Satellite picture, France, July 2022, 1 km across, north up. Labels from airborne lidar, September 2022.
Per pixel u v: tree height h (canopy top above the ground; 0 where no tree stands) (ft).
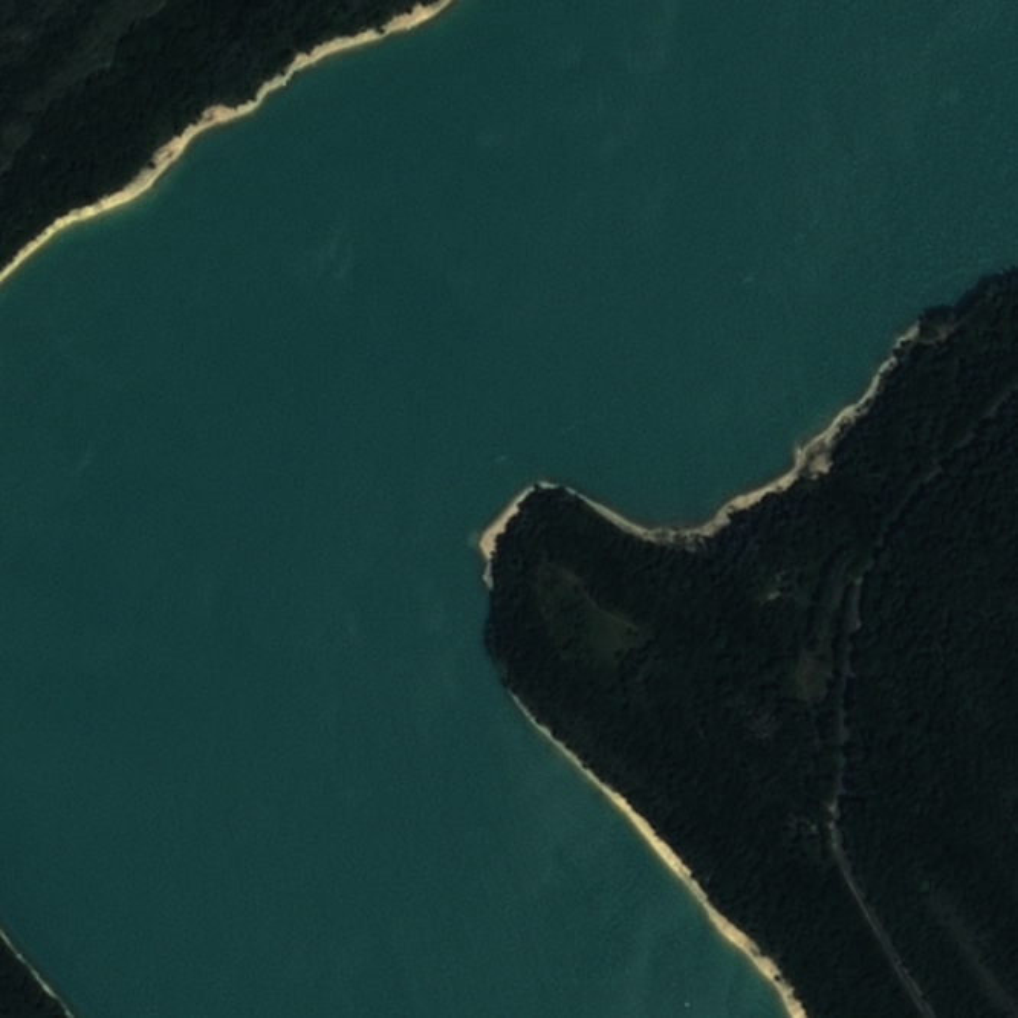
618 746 38
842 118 0
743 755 59
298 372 0
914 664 51
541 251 0
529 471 0
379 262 0
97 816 0
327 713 0
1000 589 52
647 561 64
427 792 0
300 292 0
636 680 50
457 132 0
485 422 0
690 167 0
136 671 0
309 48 34
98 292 0
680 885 0
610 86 0
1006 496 54
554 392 0
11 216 67
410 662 0
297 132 0
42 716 0
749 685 36
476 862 0
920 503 66
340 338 0
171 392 0
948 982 48
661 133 0
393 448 0
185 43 46
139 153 43
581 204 0
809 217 0
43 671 0
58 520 0
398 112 0
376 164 0
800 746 69
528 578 56
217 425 0
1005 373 35
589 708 38
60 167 73
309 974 0
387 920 0
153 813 0
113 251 0
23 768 0
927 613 51
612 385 0
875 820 73
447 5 0
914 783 59
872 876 41
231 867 0
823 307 0
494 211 0
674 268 0
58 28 35
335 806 0
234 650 0
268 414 0
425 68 0
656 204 0
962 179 0
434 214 0
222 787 0
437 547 0
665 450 0
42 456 0
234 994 0
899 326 0
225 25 24
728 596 58
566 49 0
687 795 53
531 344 0
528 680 36
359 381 0
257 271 0
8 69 39
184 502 0
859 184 0
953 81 0
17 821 0
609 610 31
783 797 56
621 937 0
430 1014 0
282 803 0
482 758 0
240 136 0
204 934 0
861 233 0
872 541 31
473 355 0
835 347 0
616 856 0
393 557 0
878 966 32
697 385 0
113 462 0
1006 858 28
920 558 68
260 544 0
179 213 0
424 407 0
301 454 0
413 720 0
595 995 0
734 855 51
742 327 0
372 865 0
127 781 0
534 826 0
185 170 0
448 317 0
